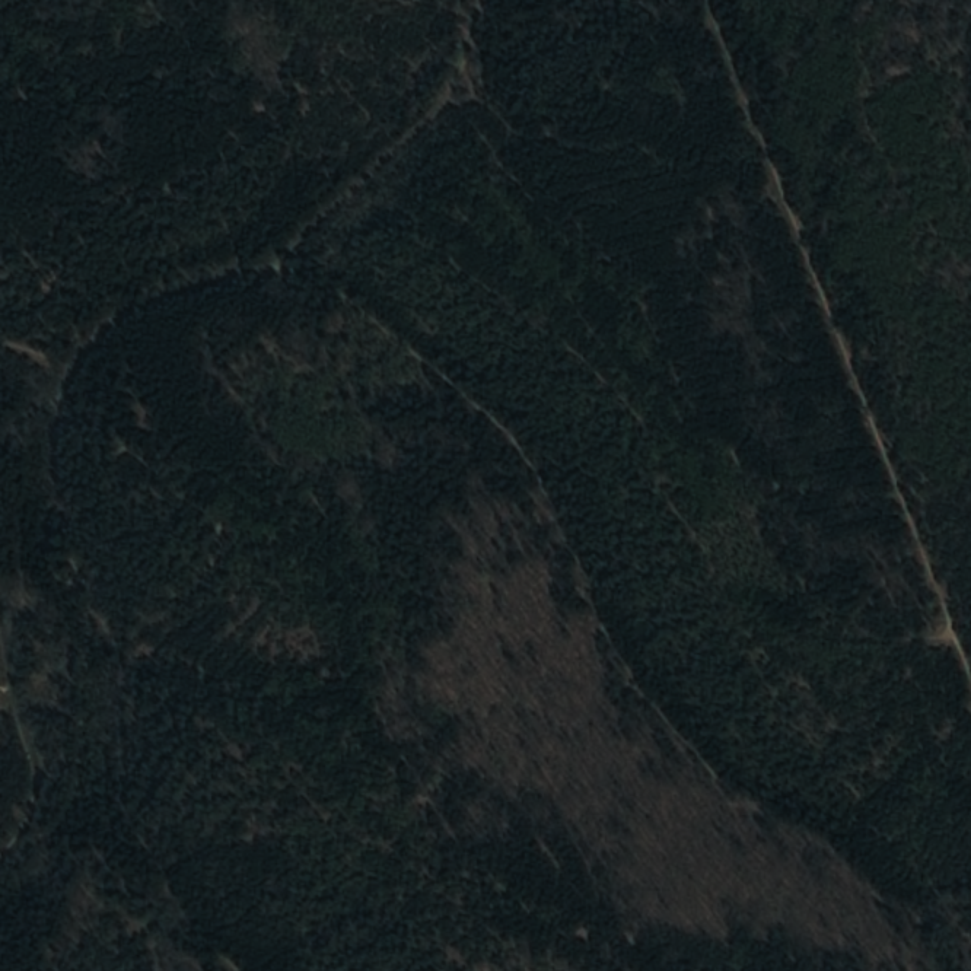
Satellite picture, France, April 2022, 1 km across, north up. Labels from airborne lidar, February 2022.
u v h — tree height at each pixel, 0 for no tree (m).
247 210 9
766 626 13
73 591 7
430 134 9
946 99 14
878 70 13
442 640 17
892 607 10
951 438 9
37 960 26
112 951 12
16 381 11
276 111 16
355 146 11
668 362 12
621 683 18
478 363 21
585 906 18
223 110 19
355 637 13
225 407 20
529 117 14
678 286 15
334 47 10
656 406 11
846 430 14
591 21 22
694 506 11
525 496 30
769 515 15
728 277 15
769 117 22
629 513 11
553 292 11
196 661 8
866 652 13
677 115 21
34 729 23
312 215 25
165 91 18
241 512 14
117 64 12
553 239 12
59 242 12
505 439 20
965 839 7
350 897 7
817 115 9
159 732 9
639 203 16
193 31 17
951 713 9
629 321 13
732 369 20
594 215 14
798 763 14
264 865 8
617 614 13
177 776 25
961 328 9
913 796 11
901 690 9
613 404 18
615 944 15
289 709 11
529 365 17
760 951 18
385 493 28
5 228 11
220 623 10
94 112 19
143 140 23
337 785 8
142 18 14
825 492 14
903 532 15
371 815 11
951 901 27
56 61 14
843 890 22
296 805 8
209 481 13
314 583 7
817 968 16
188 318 21
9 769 26
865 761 15
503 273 10
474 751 18
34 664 32
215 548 13
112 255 21
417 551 24
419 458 26
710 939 19
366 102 9
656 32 22
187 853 16
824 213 13
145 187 8
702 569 10
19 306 16
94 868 27
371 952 17
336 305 23
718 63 13
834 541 15
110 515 17
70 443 30
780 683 8
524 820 21
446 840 14
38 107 21
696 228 17
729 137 22
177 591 20
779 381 15
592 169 15
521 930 13
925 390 14
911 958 30
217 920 15
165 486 12
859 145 8
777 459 18
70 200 20
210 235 24
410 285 13
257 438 21
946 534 10
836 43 15
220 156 12
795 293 19
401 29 12
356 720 11
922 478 8
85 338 14
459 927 7
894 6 10
